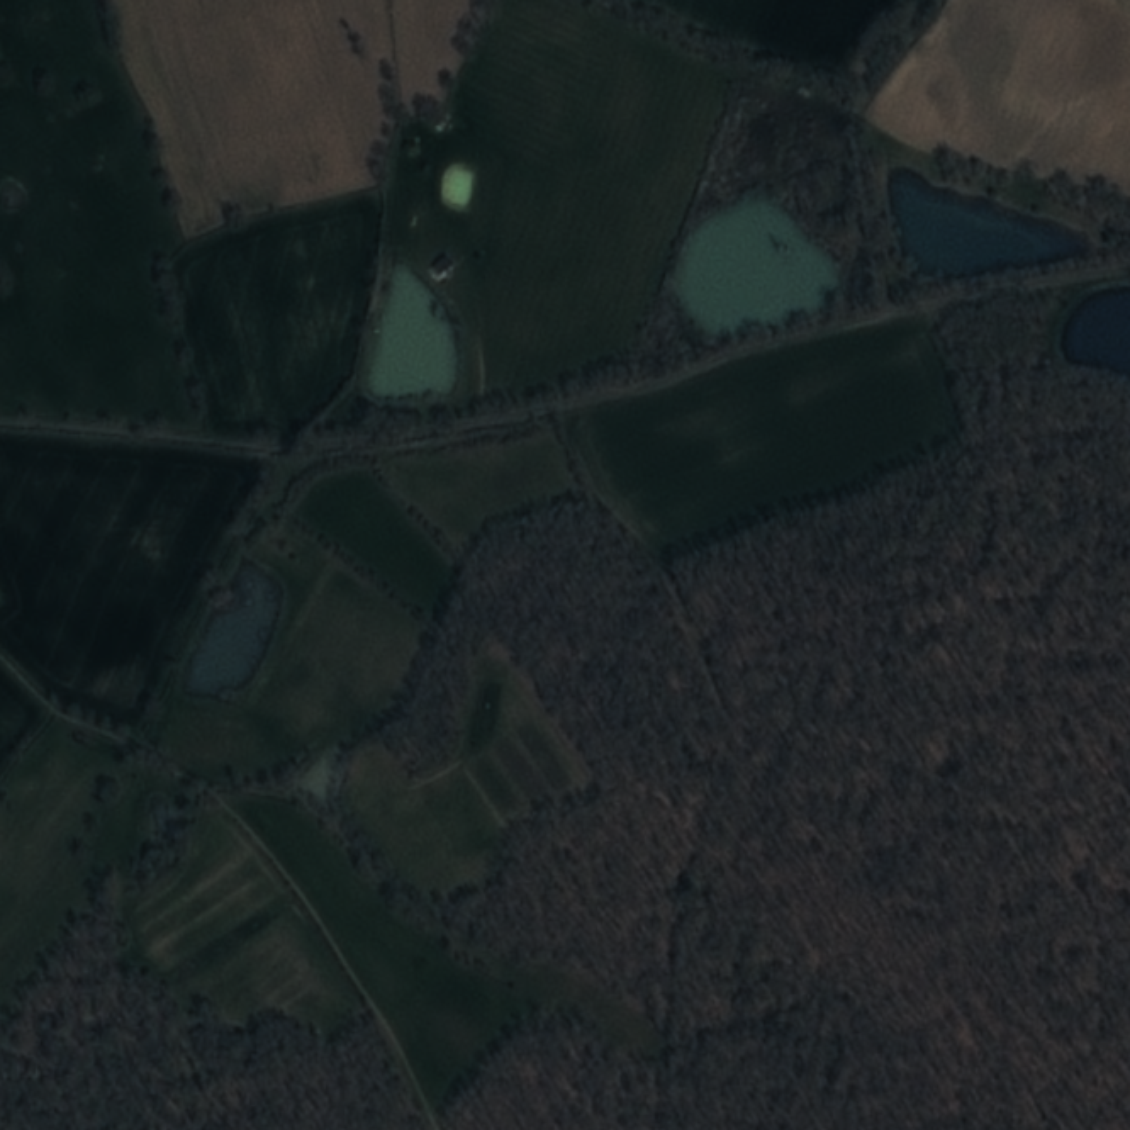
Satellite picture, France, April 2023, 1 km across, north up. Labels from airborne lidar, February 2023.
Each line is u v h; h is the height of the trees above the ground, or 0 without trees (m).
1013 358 15
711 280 0
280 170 0
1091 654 25
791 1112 21
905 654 23
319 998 0
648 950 18
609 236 0
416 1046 0
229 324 0
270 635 0
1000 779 24
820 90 19
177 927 0
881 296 22
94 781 0
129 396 0
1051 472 22
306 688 0
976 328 17
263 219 0
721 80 0
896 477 17
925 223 0
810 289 0
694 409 0
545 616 18
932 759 23
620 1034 0
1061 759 25
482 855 0
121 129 0
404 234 0
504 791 0
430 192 0
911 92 0
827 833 26
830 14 0
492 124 0
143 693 0
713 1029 18
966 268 0
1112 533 19
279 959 0
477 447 6
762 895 18
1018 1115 23
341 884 0
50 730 0
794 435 0
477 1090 18
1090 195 11
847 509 24
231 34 0
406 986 0
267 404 0
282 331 0
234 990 0
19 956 0
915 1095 21
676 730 22
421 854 0
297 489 9
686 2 0
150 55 0
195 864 0
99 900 23
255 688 0
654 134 0
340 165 0
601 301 0
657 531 0
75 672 0
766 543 26
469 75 0
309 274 0
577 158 0
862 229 18
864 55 15
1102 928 24
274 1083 25
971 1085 19
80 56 0
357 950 0
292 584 0
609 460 0
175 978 0
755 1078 22
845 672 20
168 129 0
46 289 0
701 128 0
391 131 13
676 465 0
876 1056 16
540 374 0
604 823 18
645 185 0
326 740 0
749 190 6
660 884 21
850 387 0
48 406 0
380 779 0
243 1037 12
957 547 20
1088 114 0
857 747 23
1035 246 0
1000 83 0
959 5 0
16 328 0
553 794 0
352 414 0
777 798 23
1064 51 0
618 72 0
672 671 17
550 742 0
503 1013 0
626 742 22
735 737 23
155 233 0
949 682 22
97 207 0
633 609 19
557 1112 23
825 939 23
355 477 0
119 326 0
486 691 0
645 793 24
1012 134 0
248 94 0
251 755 0
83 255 0
